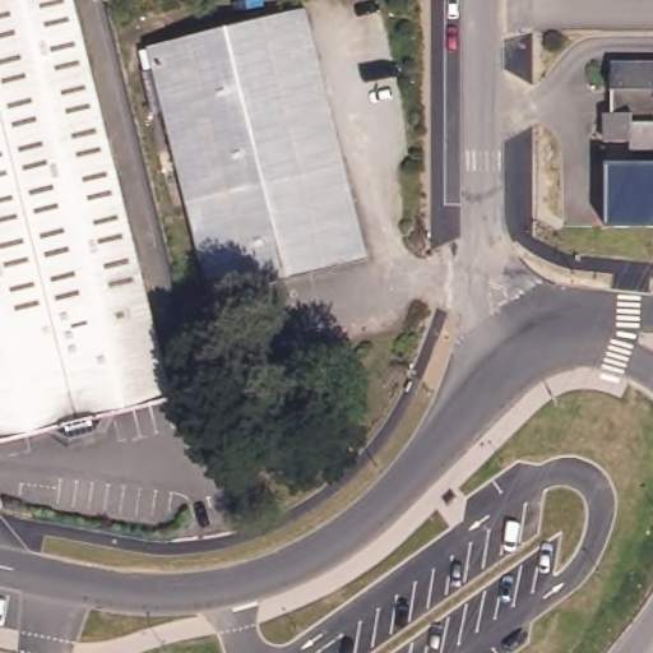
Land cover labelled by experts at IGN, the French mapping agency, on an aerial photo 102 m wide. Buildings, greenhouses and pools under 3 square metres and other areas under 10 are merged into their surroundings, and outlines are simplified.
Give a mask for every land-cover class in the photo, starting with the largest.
<instances>
[{"label":"impervious surface","instance_id":"1","mask_svg":"<svg viewBox=\"0 0 653 653\"><path fill-rule=\"evenodd\" d=\"M77 5L89 71L94 79V92L99 99V112L110 140L138 265L143 273V288L148 293L156 357L168 349V342L186 324L214 321L219 316L212 306H207L204 298L224 273L217 270L214 275H204V260L199 258L196 247L189 250L181 260L171 263L166 245H161L156 237V230L143 179L148 166L145 156H138V148L133 143V115L128 112L125 94L117 82L115 69L120 64H115L112 56L115 51L110 46L107 15L99 0H71ZM380 0H304L298 10L306 15L311 31L321 92L327 97L329 120L334 125V140L349 186L365 258L293 275H275L268 286V291L273 293L283 288L288 306H304L309 311V332L319 347H337L347 337H367L372 332L395 327L406 316L411 301H423L429 306L426 316L418 321V357H411L408 362V367L413 370L408 372L406 385L395 406L390 408L388 418L378 429V434H372V439L367 436L357 454L360 467H365L390 439L423 380L429 385V408L423 418L418 421L398 459L360 500H355L347 510H342L337 518L311 531L309 536L273 554L227 569L181 574H166L158 566L107 569L105 564L41 551L46 536L84 541L107 548L171 556L222 551L253 538L250 533H232L230 520L217 508L214 480L207 477L202 464L189 459L184 439L176 436V426L163 416L161 406L125 411L110 418L92 421V426L74 431L59 429L51 434H33L10 444H0V653H145L158 645H171L204 635L217 640L219 653H367L378 648L385 638L395 635L406 625V620H416L426 610L429 569H436L434 602L444 599V582L454 579V571L462 569L467 543H472L469 574L477 576L482 569H490L497 561L505 538L518 541L520 536V525L515 523L520 518V505L525 500H538L541 492H548V500L543 510V528L538 543L543 546L551 538V533L561 531V551L574 559L571 566L564 574H543V566H548L551 559L543 556L538 561L531 556L523 566L508 571L485 594H477L474 599H469V605L459 607L449 617V638L444 645L439 640L441 625L434 622L416 640L413 653H510L508 648L525 638V630L541 612L566 599L594 569L612 531L615 495L610 480L594 464L584 459L554 457L505 462L495 477L485 482V490H480L469 500L462 492V485L543 403L559 398L566 390H605L622 395L625 388H630L653 400V263L576 255L541 242L551 227H602L597 212L589 204V143L582 138L579 130L592 117L597 130L605 128L612 89L610 66L615 61H653V0H423L421 105L426 135H418L406 128L403 102L398 92L400 69L390 61L388 31L383 15L375 13ZM411 145H418L423 148L421 173V212L423 230H431V245H436L439 250L431 258H416L406 250L400 240L398 222L403 212V196L398 184L400 166L406 150ZM3 495H18L31 503L56 505L61 510L107 515L133 523L168 520L176 505L186 503V518L176 531L125 536L120 533V528L99 531L94 523L82 520L61 523L33 518V510L5 505ZM431 513H439L444 518V531L429 538L421 548L408 554L383 576L370 582L362 592L352 594V607H347L339 615L329 612L319 617L288 640L265 638V620H273L278 615H286L296 607H304L319 597L337 592L339 587H344L347 582L383 561L390 551H395L423 520L431 518ZM89 612L128 617L171 615L176 622L156 625L112 640L82 643L79 635L89 620ZM339 490V485L324 482L319 487L296 495L291 492L288 497H283L278 503V508L286 510V515L281 518L283 525L324 505ZM605 653H653V589L648 592L633 622Z\"/></svg>","mask_w":653,"mask_h":653},{"label":"building","instance_id":"2","mask_svg":"<svg viewBox=\"0 0 653 653\"><path fill-rule=\"evenodd\" d=\"M148 293L143 288V273L138 265L110 140L99 112V99L94 92V79L89 71L77 5L71 0H0V444H10L33 434H51L59 429L74 431L92 426V421L110 418L125 411L161 406L163 395L156 383V357ZM143 69L153 71L156 77L186 207L196 247L199 258L204 260V275H214L217 270L224 273H250L260 278L263 286H268L275 275H293L365 258L349 186L334 140V125L329 120L327 97L321 92L311 31L306 15L298 10L273 13L242 23L189 33L181 38L145 46L140 51ZM612 89L605 128L597 130L592 117L579 130L582 138L589 143V204L597 212L602 227L653 224V61H615L610 66Z\"/></svg>","mask_w":653,"mask_h":653},{"label":"herbaceous vegetation","instance_id":"3","mask_svg":"<svg viewBox=\"0 0 653 653\"><path fill-rule=\"evenodd\" d=\"M398 184L403 196V212H421V173H406L400 166ZM156 237L161 245H166L171 263L181 260L189 250L196 247L186 207L173 209V224L156 230ZM541 242L576 255L653 263V224L602 227H551ZM429 306L423 301H411L406 316L395 327L372 332L367 337L372 342V347L362 357L367 372V413L360 416V426L367 429V436L372 439V434H378V429L388 418L390 408L395 406L406 385L408 372L413 370L408 367V362L411 357H418V321L426 316ZM429 408V385L423 380L390 439L365 467H360L355 477L339 485V490L324 505L283 525L268 536L253 538L222 551L171 556L107 548L84 541L46 536L41 551L105 564L107 569L158 566L166 574H181L227 569L273 554L309 536L311 531L337 518L342 510H347L355 500H360L398 459L418 421L423 418ZM554 457L584 459L594 464L610 480L615 495L612 531L594 569L566 599L541 612L525 630V638L508 648L510 653H605L633 622L648 592L653 589V400L630 388H625L622 395L605 390H566L559 398L543 403L462 485V492L469 500L480 490H485V482L495 477L505 462ZM548 500V492H541L538 500H525L520 505V518L515 523L520 525V536L518 541L505 538L497 561L490 569H482L477 576L469 574L472 543H467L462 569L454 571V579L444 582V599L434 602L436 569H429L426 610L416 620H406V625L395 635L385 638L378 648L367 653H413L416 640L434 622L441 625L439 640L444 645L449 638V617L459 607L469 605V599H474L477 594H485L508 571L523 566L531 556L538 561L543 556L551 559L548 566H543V574H564L571 566L574 559L561 551V531L551 533V538L543 546L538 543L543 528V510ZM444 518L439 513H431V518L423 520L395 551H390L383 561L347 582L344 587H339L337 592L319 597L304 607H296L286 615H278L273 620H265V638L288 640L319 617L329 612L339 615L347 607H352V594L362 592L370 582L383 576L408 554L421 548L429 538L444 531ZM176 622L171 615L128 617L89 612V620L79 635L82 643L112 640L156 625ZM145 653H219L217 640L204 635L171 645H158Z\"/></svg>","mask_w":653,"mask_h":653},{"label":"deciduous trees","instance_id":"4","mask_svg":"<svg viewBox=\"0 0 653 653\"><path fill-rule=\"evenodd\" d=\"M207 306H212L219 316L214 321L186 324L168 342V349L156 357V383L163 395L161 406L163 416L176 426V436L184 439L189 459L202 464L207 477L214 480L217 508L230 520L232 533H250L253 538L268 536L283 525L281 518L286 515V510L278 508V503L283 497H288L291 492L296 495L319 487L324 482L339 485L355 477L360 467L357 454L367 436V429L360 426V416L367 413V372L362 357L372 347V342L367 337H347L337 347H319L309 332V311L304 306H288L283 288L273 293L268 291V286H263L260 278L250 273H224L204 298Z\"/></svg>","mask_w":653,"mask_h":653},{"label":"pervious surface","instance_id":"5","mask_svg":"<svg viewBox=\"0 0 653 653\"><path fill-rule=\"evenodd\" d=\"M247 10L219 8L209 15L189 18V8L184 5V0H176L166 10L143 13L128 28H117L107 15L110 46L115 51L112 56L115 64H120L115 69L117 82L125 94L128 112L133 115V143L138 148V156H145L148 166L143 179L156 230L173 224V209L186 207L156 77L153 71L143 69L140 51L145 46L181 38L189 33L242 23L273 13L298 10L304 0H245Z\"/></svg>","mask_w":653,"mask_h":653},{"label":"brushwood","instance_id":"6","mask_svg":"<svg viewBox=\"0 0 653 653\"><path fill-rule=\"evenodd\" d=\"M107 15L117 28H128L143 13L166 10L176 0H99ZM184 5L189 8V18L209 15L219 8L247 10L245 0H184ZM423 0H380L375 13L383 15L388 31L390 61L400 69L398 92L403 102L406 128L418 135H426L421 105ZM406 173H421L423 148L418 145H411L406 150L400 166ZM400 240L406 250L416 258H431L439 250L436 245H431V230H423L421 212H403L398 222ZM5 505L33 510V518L61 523L82 520L94 523L99 531L120 528V533L125 536L176 531L186 518V503L176 505L168 520L133 523L107 515L61 510L56 505L31 503L18 495H3Z\"/></svg>","mask_w":653,"mask_h":653}]
</instances>
